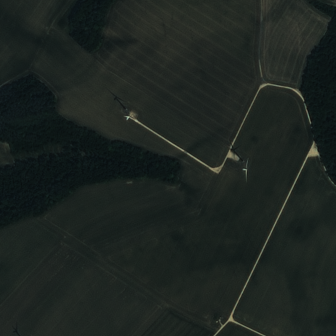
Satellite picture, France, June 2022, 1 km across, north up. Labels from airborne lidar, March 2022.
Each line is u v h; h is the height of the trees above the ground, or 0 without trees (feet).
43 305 0
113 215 0
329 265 0
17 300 0
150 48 0
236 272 0
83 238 0
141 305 0
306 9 0
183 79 0
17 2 0
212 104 0
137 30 0
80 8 81
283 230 0
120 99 0
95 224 0
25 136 57
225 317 0
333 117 72
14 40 0
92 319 0
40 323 0
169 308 0
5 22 0
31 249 0
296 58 0
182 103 0
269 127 0
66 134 41
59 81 0
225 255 0
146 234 0
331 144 71
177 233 0
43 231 0
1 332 0
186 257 0
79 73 0
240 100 0
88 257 0
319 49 54
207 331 0
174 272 0
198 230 0
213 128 0
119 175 51
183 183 0
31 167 75
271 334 0
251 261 0
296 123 0
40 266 0
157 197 0
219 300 0
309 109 53
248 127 0
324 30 0
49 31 0
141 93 0
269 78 0
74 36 58
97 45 55
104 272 0
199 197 0
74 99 0
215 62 0
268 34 0
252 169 0
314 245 0
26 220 0
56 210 0
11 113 54
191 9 0
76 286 0
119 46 0
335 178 56
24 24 0
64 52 0
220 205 0
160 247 0
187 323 0
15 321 0
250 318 0
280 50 0
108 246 0
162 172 70
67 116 0
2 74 0
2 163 0
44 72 0
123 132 0
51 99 53
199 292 0
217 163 0
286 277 0
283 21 0
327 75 74
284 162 0
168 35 0
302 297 0
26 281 0
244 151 0
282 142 0
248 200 0
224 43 0
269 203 0
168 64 0
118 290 0
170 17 0
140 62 0
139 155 62
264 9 0
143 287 0
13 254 0
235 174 0
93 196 0
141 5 0
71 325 0
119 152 47
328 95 73
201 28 0
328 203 0
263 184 0
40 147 59
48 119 19
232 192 0
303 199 0
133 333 0
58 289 0
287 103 0
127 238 0
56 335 0
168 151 0
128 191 0
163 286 0
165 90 0
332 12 24
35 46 0
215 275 0
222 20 0
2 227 41
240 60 0
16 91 90
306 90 57
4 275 0
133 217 0
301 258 0
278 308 0
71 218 0
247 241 0
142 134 0
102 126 0
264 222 0
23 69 0
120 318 0
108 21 0
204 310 0
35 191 75
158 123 0
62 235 0
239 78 0
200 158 0
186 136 0
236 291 0
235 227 0
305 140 0
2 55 0
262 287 0
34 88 70
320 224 0
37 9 0
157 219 0
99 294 0
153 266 0
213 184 0
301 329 0
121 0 0
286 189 0
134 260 0
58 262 0
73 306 0
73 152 61
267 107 0
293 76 0
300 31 0
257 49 0
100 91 0
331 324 0
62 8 0
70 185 58
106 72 0
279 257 0
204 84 0
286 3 0
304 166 0
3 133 65
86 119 0
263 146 0
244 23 0
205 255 0
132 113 0
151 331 0
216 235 0
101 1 63
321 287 0
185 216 0
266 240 0
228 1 0
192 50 0
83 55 0
